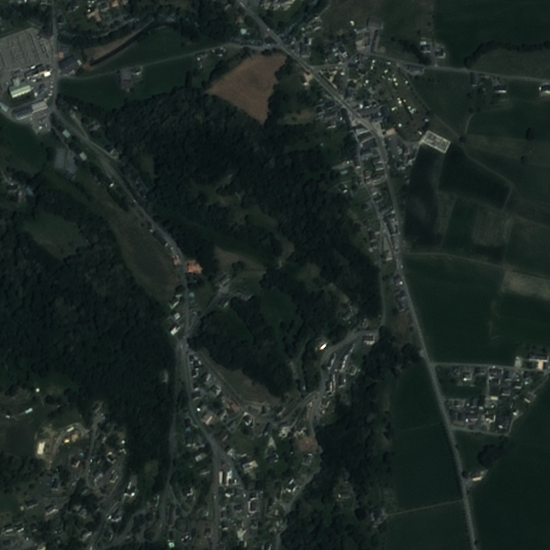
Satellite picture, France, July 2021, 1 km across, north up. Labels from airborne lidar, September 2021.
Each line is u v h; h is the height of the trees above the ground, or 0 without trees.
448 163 0
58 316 25
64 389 0
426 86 0
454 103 0
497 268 0
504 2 0
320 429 16
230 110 24
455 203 0
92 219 20
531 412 0
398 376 20
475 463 0
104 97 0
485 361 0
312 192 9
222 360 21
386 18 0
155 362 10
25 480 16
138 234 0
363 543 17
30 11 16
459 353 0
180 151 16
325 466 20
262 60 0
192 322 0
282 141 25
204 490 8
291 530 9
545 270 0
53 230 0
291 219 16
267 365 17
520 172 0
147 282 0
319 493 11
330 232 20
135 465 11
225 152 22
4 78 0
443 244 0
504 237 0
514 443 0
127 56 0
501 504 0
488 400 0
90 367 7
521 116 0
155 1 20
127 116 22
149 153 18
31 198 15
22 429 0
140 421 23
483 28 0
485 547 0
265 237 9
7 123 0
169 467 18
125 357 9
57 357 7
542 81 0
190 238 22
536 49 13
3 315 22
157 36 0
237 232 13
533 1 0
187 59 0
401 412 0
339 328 14
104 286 21
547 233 0
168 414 25
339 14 0
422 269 0
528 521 0
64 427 0
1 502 0
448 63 0
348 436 20
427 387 0
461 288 0
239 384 0
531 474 0
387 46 0
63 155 0
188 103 19
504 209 0
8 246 31
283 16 0
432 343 0
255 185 17
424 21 0
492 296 0
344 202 17
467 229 0
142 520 12
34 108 0
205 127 15
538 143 0
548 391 0
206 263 21
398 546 0
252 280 0
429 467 0
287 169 21
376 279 16
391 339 19
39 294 29
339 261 19
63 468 13
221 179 10
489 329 0
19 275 26
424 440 0
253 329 18
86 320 13
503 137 0
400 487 0
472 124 0
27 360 7
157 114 24
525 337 0
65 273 31
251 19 12
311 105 10
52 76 0
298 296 24
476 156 0
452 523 0
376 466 30
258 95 0
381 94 7
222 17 30
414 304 0
